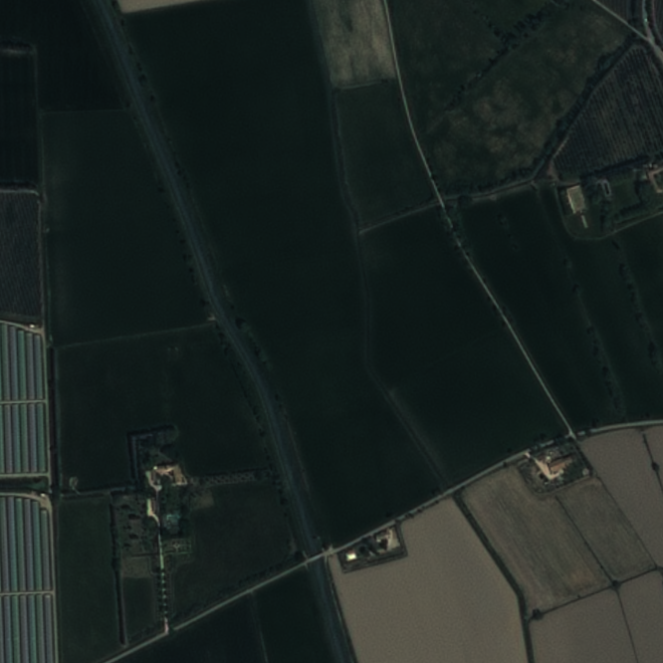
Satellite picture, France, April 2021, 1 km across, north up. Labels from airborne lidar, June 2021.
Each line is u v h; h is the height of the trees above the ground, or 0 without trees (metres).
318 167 0
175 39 0
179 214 0
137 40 0
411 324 0
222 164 0
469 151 0
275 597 0
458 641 0
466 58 0
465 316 0
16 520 0
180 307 0
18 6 0
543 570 0
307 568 0
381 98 0
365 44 0
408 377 0
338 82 0
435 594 0
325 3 0
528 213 0
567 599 0
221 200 0
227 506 0
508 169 0
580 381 0
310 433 0
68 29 0
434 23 0
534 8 0
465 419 0
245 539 0
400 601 0
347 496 0
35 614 0
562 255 0
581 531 0
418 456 0
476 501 0
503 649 0
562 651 0
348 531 0
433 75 0
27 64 0
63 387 0
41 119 0
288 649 0
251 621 0
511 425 0
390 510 0
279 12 0
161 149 0
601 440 0
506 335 0
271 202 0
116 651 0
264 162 0
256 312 0
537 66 0
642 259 0
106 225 0
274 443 0
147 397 0
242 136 0
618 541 0
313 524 0
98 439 0
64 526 0
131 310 0
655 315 0
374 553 11
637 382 0
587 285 0
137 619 0
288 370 0
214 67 0
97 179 0
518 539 0
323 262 0
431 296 0
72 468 0
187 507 8
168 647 0
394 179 0
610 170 12
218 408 0
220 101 0
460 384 0
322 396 0
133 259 0
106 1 0
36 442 0
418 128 0
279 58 0
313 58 0
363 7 0
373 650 0
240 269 0
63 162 0
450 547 0
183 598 0
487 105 0
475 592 0
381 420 0
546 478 6
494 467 0
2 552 0
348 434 0
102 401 0
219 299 0
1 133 0
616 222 12
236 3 0
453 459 0
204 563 0
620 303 0
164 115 0
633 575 0
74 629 0
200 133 0
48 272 0
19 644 0
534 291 0
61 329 0
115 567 11
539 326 0
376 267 0
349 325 0
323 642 0
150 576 0
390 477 0
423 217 0
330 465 0
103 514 0
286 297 0
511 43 20
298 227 0
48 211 0
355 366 0
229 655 0
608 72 19
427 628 0
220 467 0
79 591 0
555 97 0
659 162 13
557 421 0
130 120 0
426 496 0
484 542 0
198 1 0
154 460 13
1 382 0
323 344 0
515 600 0
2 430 0
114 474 0
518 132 0
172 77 0
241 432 0
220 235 0
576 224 0
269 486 0
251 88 0
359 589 0
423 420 0
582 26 0
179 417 0
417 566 0
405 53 0
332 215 0
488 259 0
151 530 7
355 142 0
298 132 0
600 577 0
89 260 0
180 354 0
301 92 0
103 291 0
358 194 0
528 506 0
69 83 0
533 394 0
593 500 0
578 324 0
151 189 0
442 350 0
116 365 0
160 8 0
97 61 0
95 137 0
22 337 0
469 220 0
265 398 0
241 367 8
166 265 0
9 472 0
